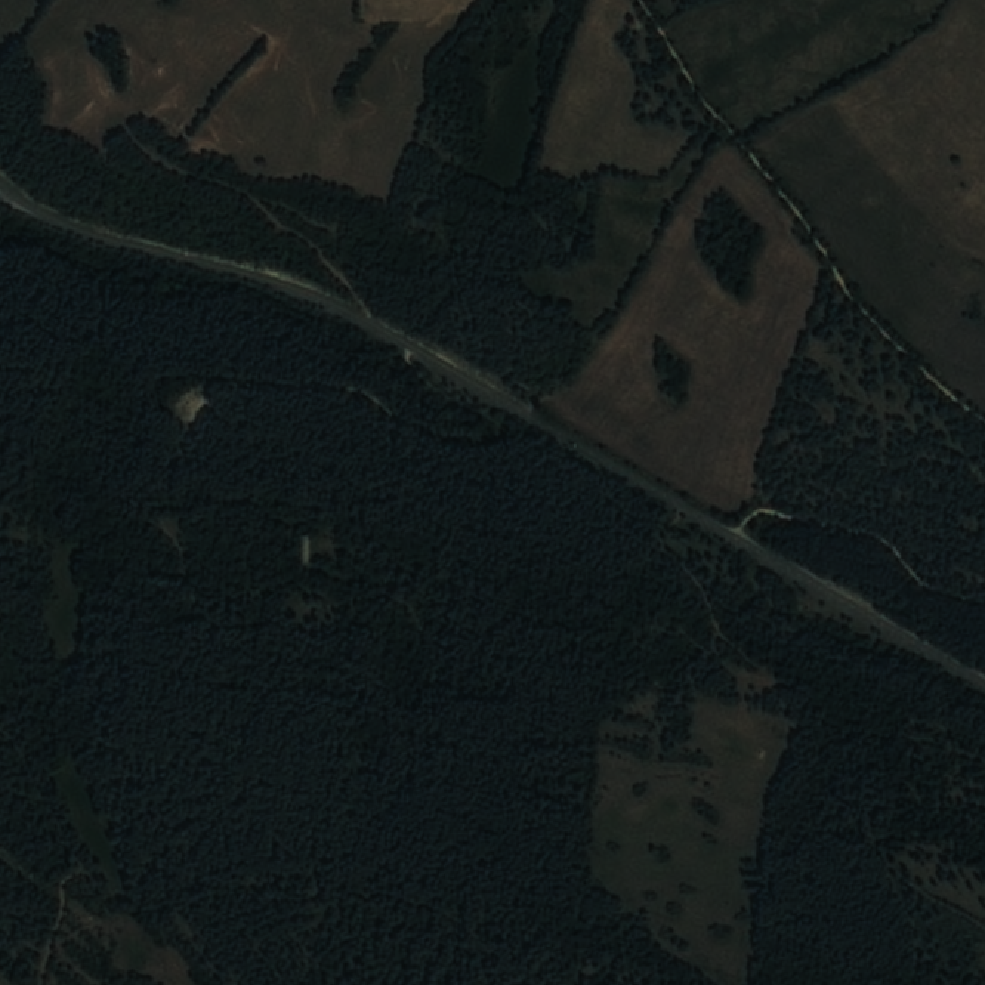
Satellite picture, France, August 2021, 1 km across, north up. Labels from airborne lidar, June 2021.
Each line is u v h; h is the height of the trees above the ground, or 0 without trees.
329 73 0
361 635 19
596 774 10
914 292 0
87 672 16
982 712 14
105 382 21
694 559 13
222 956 22
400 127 0
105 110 0
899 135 0
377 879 12
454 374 0
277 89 0
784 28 0
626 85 0
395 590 16
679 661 9
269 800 15
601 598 10
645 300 0
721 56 0
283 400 20
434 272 15
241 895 20
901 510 13
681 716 7
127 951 0
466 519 14
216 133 0
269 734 18
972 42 0
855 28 0
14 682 9
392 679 16
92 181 13
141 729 17
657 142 0
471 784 16
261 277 0
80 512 20
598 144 0
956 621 11
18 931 13
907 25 0
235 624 11
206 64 0
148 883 20
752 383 0
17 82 14
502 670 20
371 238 11
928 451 10
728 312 0
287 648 17
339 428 20
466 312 16
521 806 16
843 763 13
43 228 6
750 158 8
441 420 20
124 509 15
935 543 11
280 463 19
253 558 9
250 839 12
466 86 10
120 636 18
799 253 0
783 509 15
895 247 0
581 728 13
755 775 0
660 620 9
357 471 16
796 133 0
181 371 13
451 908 13
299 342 18
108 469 16
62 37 0
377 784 19
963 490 16
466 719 17
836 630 12
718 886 0
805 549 10
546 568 19
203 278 10
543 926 14
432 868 14
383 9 0
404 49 0
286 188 11
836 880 18
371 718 13
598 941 10
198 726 18
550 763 17
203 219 9
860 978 11
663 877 0
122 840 15
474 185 13
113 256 7
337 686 10
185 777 13
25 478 17
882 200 0
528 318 11
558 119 0
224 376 9
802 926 19
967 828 13
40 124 10
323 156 0
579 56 0
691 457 0
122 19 0
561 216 13
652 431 0
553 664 18
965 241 0
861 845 23
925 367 8
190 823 13
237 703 16
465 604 21
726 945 0
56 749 23
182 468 18
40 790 13
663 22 10
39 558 14
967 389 0
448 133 7
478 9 11
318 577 13
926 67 0
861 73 10
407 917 15
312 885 15
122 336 19
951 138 0
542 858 17
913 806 11
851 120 0
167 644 18
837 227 0
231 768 16
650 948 10
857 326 11
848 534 12
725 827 0
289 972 19
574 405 0
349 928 10
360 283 11
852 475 11
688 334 0
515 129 0
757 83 0
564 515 12
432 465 17
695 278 0
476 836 15
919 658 7
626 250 0
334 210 10
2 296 20
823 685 9
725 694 7
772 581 15
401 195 14
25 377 15
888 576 11
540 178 15
